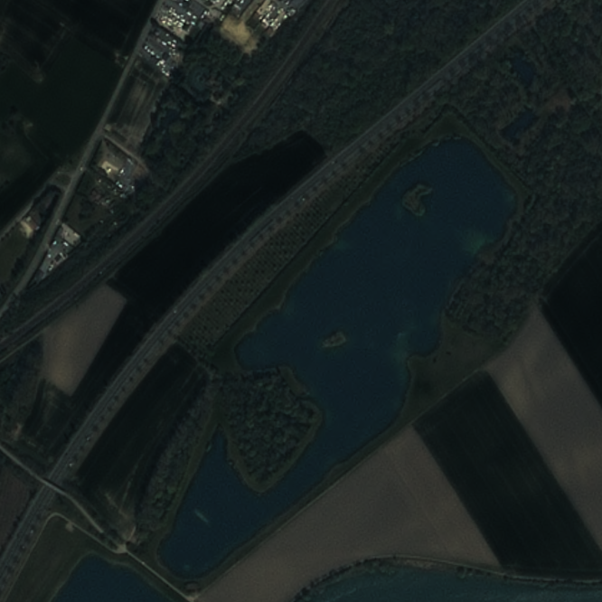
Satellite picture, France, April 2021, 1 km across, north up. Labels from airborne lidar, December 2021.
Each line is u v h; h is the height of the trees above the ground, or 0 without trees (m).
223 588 0
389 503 0
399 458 0
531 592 0
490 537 0
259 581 0
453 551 0
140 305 0
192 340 9
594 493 0
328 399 0
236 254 0
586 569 0
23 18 0
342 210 0
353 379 0
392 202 0
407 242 0
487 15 22
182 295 17
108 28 0
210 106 17
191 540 0
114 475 0
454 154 0
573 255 0
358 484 0
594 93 23
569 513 0
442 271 0
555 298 0
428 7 20
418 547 0
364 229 0
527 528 0
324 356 0
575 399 0
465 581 0
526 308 21
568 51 21
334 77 22
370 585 0
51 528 0
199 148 9
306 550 0
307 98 22
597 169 27
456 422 0
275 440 7
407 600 0
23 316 7
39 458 0
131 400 0
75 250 6
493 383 0
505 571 0
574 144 11
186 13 0
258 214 17
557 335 0
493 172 0
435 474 0
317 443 0
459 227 0
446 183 0
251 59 8
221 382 16
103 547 0
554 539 0
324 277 0
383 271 0
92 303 0
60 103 0
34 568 0
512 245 13
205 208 0
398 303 0
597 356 0
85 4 0
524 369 0
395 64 11
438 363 0
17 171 0
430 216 0
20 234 0
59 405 0
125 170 0
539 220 17
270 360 0
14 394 30
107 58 0
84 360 0
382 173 0
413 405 0
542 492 0
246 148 6
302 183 0
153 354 0
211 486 0
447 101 10
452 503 0
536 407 0
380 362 0
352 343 0
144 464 0
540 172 17
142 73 0
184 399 0
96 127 0
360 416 0
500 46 17
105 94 0
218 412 0
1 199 0
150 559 0
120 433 0
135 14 0
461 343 0
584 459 0
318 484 0
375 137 0
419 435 0
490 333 22
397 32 11
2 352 7
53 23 0
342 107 12
